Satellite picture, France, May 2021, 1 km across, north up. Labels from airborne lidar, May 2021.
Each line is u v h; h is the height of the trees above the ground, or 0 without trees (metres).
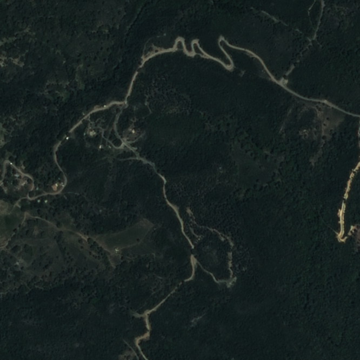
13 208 0
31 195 10
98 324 8
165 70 9
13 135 8
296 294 9
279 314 14
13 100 13
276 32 8
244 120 16
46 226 0
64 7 7
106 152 8
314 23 6
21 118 12
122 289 12
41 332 7
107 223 13
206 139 7
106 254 9
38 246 0
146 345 13
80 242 10
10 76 9
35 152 12
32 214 0
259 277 6
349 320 14
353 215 16
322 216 7
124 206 7
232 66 0
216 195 14
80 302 10
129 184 7
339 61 12
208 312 6
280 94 7
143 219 0
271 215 15
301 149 11
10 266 6
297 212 14
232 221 14
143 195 5
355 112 6
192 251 12
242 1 9
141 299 7
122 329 7
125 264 13
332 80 5
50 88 17
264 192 15
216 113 17
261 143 11
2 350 11
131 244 0
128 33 10
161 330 13
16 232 12
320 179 14
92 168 5
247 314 9
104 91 7
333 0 10
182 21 13
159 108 7
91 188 7
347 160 8
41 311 6
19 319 7
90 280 13
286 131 13
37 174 10
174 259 9
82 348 8
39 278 9
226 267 8
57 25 11
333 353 17
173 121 6
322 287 19
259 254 8
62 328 8
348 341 11
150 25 8
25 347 8
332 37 10
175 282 9
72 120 6
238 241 13
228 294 7
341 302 16
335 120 0
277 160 9
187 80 14
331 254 10
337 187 12
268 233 13
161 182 8
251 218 14
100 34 18
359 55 14
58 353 6
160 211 6
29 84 11
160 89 14
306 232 11
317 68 8
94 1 6
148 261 7
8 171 8
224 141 12
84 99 10
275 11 7
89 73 8
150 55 0
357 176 8
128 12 13
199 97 10
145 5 10
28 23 16
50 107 16
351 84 6
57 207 9
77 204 7
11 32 8
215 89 10
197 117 6
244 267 8
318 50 11
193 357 9
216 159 6
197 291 8
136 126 8
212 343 12
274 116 8
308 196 17
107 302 16
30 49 9
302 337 10
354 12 10
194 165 13
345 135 15
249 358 11
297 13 7
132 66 8
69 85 8
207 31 6
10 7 22
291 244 14
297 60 10
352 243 7
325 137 11
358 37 13
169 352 11
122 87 8
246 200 13
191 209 9
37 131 12
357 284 14
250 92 8
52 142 12
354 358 8
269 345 11
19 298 16
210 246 10
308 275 17
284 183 11
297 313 20
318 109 6
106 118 5
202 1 8
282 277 11
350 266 13
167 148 14
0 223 0
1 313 7
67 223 0
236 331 9
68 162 7
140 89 10
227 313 15
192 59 8
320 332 20
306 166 11
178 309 6
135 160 6
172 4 10
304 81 6
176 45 0
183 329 7
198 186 7
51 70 7
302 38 9
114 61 18
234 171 9
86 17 6
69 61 11
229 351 13
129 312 11
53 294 16
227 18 8
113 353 6
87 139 5
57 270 0
